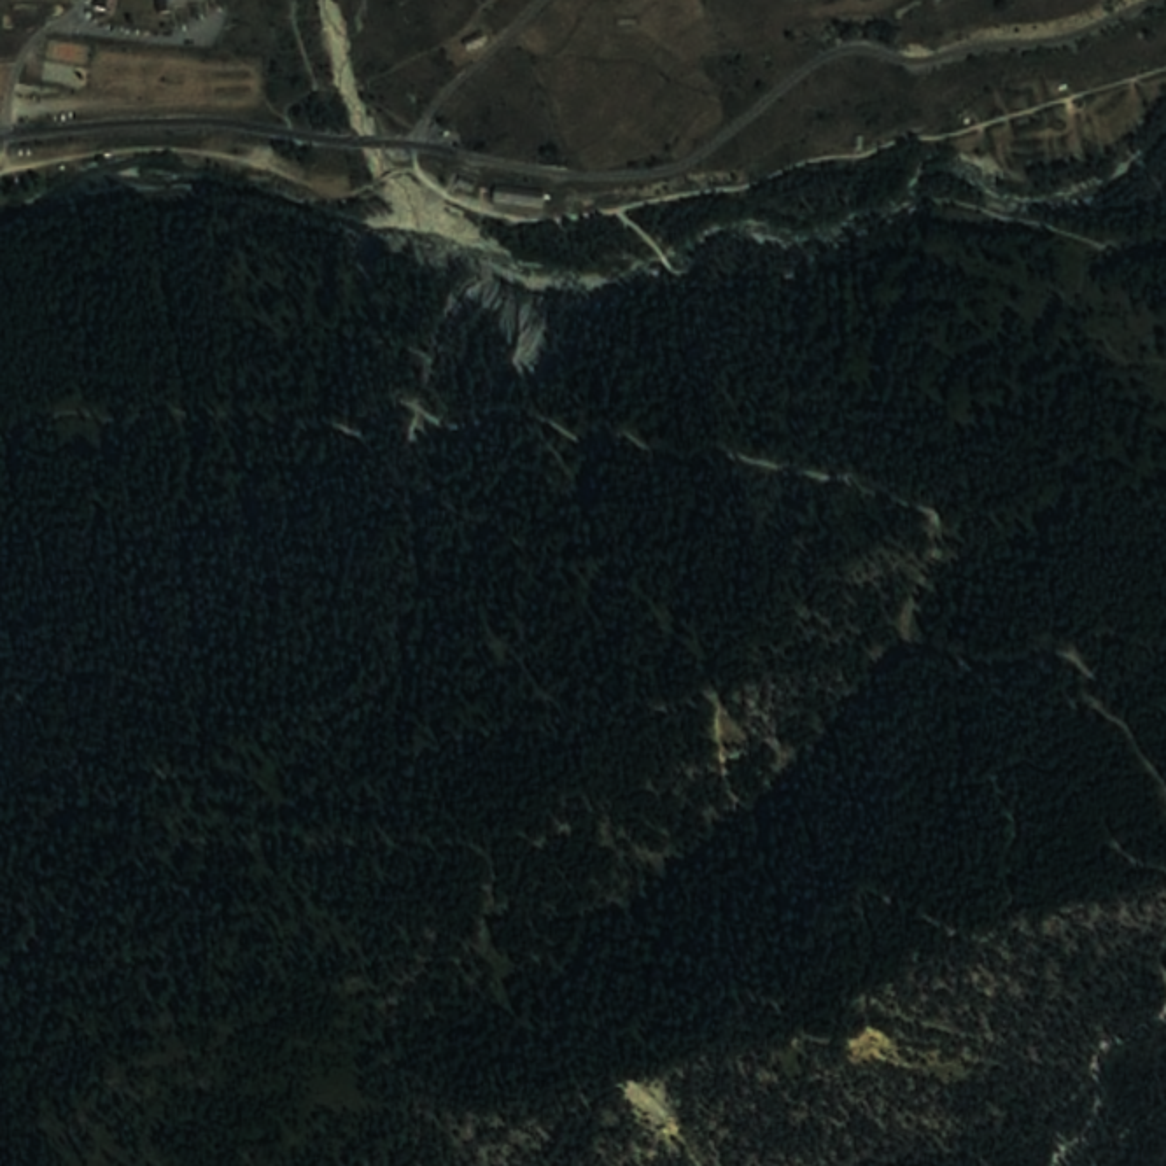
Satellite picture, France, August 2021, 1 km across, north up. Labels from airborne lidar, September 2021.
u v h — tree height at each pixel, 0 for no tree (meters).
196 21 0
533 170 0
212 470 22
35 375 18
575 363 8
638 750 19
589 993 22
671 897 30
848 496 15
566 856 24
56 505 17
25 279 22
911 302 8
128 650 14
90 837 20
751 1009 8
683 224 12
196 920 23
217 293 11
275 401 23
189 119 0
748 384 8
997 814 12
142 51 0
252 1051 15
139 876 16
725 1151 15
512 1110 19
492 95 0
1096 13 0
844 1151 10
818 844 13
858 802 11
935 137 0
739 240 6
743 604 24
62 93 0
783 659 9
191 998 25
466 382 16
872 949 14
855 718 17
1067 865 18
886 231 6
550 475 20
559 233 11
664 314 17
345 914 23
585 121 0
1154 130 14
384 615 17
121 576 15
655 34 0
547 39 0
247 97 0
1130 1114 7
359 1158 23
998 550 33
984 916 18
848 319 21
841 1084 8
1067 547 24
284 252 7
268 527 14
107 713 13
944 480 21
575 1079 18
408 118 0
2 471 25
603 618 20
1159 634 25
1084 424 23
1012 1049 17
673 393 14
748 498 16
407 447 9
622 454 16
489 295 0
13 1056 18
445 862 19
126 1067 9
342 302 27
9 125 0
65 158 0
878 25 11
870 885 13
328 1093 0
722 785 20
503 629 26
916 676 15
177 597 22
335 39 0
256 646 17
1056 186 13
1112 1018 18
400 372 7
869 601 22
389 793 10
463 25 0
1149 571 22
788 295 6
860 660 27
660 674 13
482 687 9
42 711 16
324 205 8
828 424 19
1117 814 21
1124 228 21
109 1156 0
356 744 20
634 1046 19
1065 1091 17
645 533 14
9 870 21
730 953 9
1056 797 24
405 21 0
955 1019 13
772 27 0
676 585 22
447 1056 14
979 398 21
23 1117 13
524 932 12
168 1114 7
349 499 15
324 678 19
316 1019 12
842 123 0
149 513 18
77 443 0
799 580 24
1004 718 19
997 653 26
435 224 0
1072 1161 13
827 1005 10
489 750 19
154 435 24
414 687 17
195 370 11
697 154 0
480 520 22
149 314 19
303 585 20
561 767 19
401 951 20
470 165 0
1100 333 0
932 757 25
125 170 0
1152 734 25
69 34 0
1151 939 6
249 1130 16
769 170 0
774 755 15
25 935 13
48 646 10
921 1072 8
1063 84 0
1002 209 0
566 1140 28
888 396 23
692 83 0
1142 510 28
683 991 16
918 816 18
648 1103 0
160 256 16
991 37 0
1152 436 16
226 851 12
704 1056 14
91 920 23
